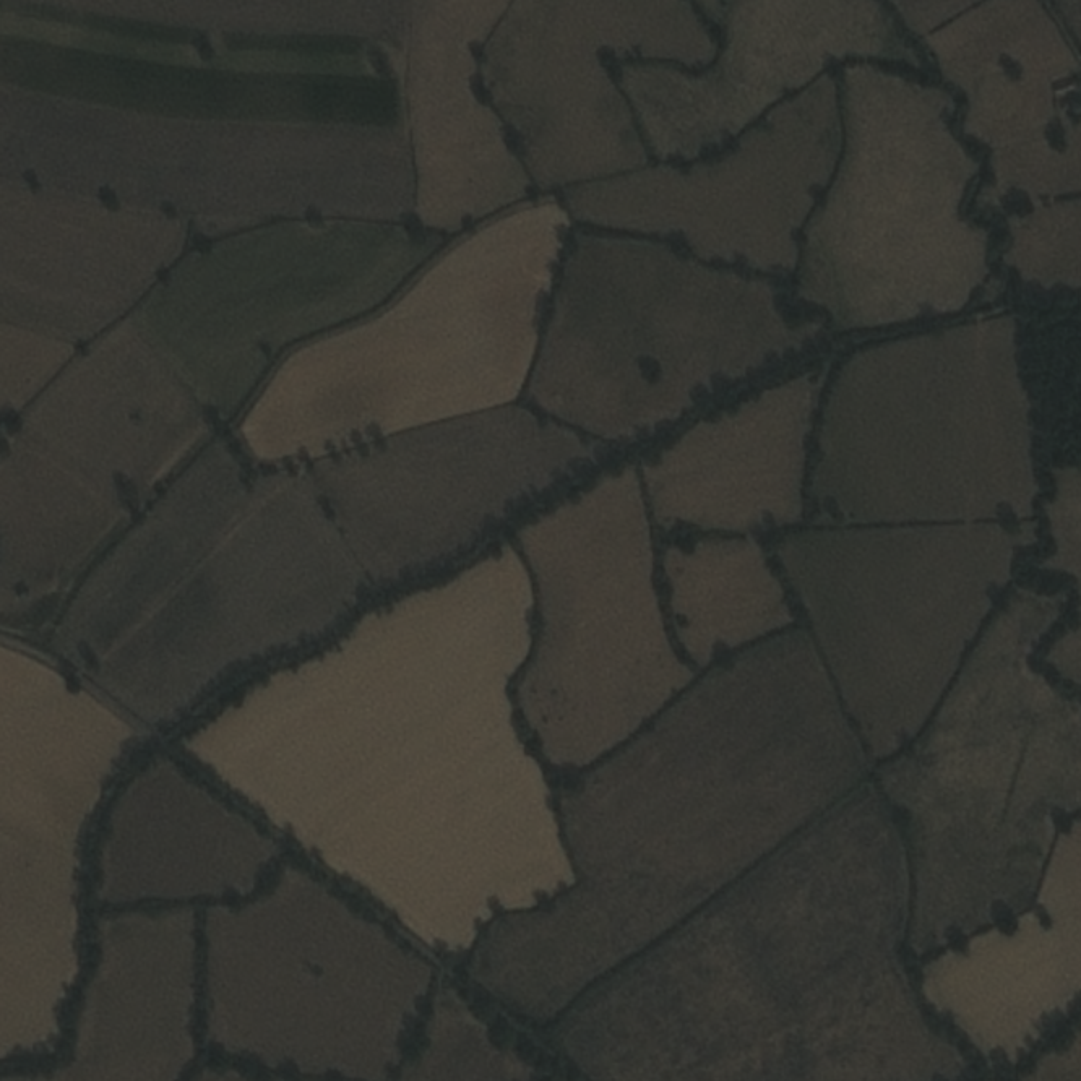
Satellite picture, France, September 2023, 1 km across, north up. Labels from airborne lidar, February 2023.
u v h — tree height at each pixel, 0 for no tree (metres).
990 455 0
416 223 13
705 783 0
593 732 0
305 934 0
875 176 0
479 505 0
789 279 12
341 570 0
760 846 0
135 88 0
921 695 0
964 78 0
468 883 0
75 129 0
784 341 0
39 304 0
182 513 0
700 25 10
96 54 0
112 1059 0
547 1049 7
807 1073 0
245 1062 13
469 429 0
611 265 0
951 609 0
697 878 0
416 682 0
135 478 0
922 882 0
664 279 0
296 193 0
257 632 0
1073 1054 0
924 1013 13
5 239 0
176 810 0
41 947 0
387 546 0
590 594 0
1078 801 0
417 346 0
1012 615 0
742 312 0
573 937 0
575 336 0
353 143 0
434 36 0
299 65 0
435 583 12
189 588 0
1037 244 0
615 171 0
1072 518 0
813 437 6
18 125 0
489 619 0
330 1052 0
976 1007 0
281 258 0
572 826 0
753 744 0
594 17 0
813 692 0
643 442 18
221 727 0
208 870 0
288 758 0
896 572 0
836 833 0
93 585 0
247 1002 0
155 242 0
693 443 0
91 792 0
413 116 0
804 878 0
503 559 0
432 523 0
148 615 0
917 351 0
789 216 0
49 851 0
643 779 0
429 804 0
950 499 0
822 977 0
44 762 0
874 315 0
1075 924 0
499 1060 0
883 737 0
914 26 0
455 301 0
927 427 0
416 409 0
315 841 0
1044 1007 0
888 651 0
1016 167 0
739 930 0
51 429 0
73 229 0
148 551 0
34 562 0
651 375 14
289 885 0
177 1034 0
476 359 0
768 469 0
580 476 17
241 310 0
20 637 0
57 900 0
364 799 0
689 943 0
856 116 0
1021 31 0
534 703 0
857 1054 0
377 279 0
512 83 0
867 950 0
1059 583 12
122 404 0
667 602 8
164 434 0
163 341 0
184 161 0
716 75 0
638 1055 0
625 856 0
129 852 0
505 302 0
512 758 0
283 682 0
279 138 0
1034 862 0
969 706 0
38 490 0
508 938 0
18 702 0
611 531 0
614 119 0
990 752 0
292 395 0
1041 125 0
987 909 0
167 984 0
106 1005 0
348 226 0
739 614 0
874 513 0
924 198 0
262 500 0
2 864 0
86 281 0
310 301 0
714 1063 0
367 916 13
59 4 0
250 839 0
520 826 0
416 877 0
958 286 0
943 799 0
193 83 0
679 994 0
